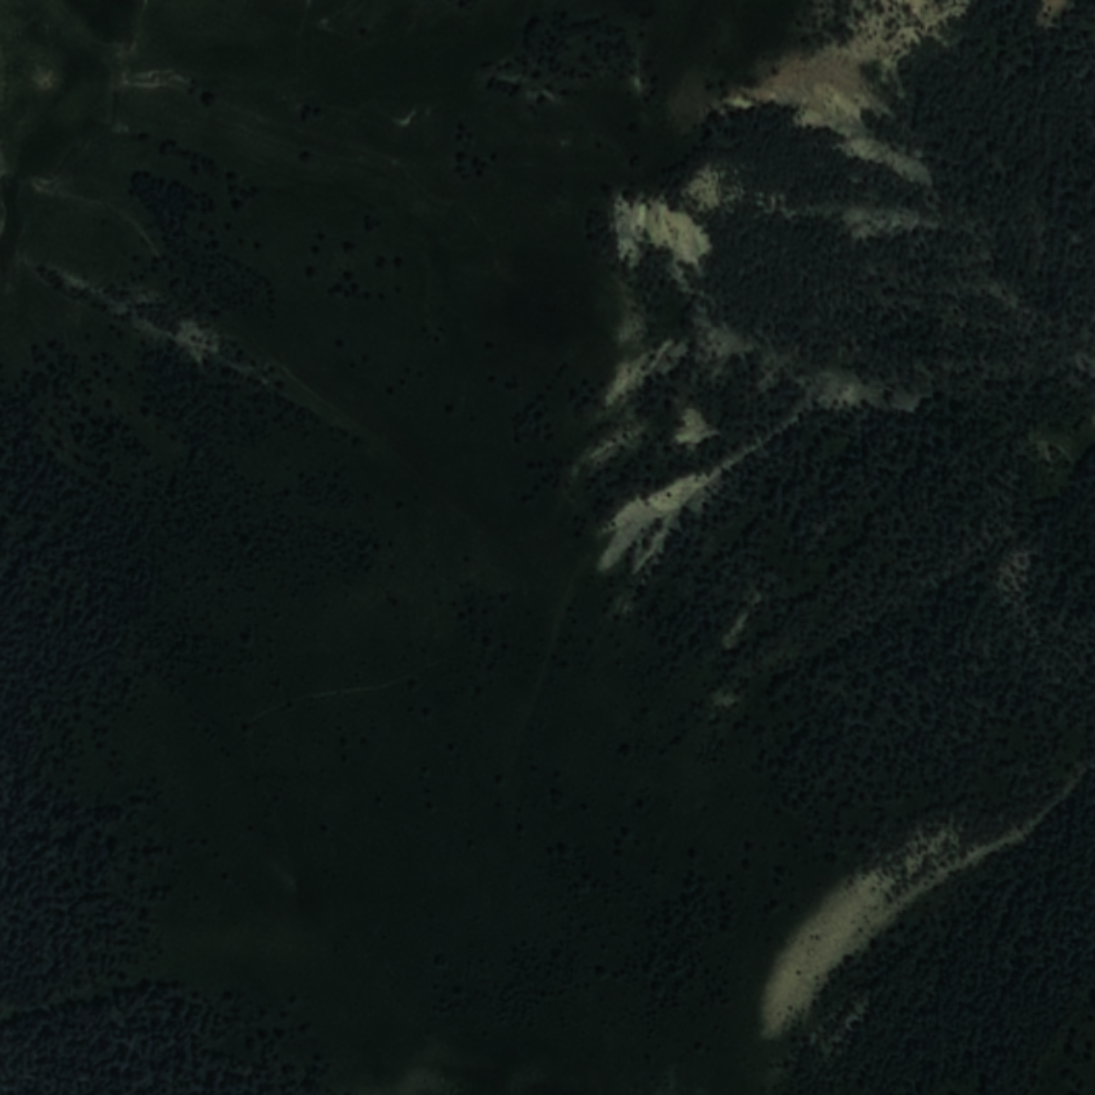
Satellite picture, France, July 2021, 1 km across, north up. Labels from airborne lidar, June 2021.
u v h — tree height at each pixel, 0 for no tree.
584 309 0
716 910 10
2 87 0
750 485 12
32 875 12
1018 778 12
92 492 8
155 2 0
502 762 0
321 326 0
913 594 11
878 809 7
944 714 12
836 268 10
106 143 0
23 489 7
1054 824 14
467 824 0
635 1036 0
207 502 8
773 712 8
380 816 0
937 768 7
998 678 11
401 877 0
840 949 0
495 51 0
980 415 14
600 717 0
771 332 8
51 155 0
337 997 0
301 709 0
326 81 0
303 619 0
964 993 14
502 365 0
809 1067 9
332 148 0
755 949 0
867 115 8
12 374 0
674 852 0
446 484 0
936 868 7
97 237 0
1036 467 11
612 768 0
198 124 0
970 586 12
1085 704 11
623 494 7
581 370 0
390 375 0
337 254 0
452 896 0
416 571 0
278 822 0
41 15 0
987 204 16
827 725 13
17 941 12
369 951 0
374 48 0
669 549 9
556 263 0
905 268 15
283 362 0
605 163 0
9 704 10
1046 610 17
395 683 0
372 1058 0
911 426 10
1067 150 8
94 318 0
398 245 0
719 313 9
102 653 8
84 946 6
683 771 0
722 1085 0
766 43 0
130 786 0
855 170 13
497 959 0
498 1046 0
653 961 10
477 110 0
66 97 0
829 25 6
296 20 0
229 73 0
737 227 10
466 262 0
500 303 0
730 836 0
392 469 0
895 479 17
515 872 0
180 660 7
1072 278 14
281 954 0
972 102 14
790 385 10
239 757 0
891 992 14
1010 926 16
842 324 9
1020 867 11
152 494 6
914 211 7
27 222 0
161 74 0
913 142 7
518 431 7
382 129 0
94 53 0
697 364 8
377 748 0
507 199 0
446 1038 0
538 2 0
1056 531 13
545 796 0
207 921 0
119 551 6
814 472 18
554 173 0
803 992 0
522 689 0
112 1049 13
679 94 0
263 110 0
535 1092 0
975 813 10
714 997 9
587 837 0
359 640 0
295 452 0
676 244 0
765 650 8
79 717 9
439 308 0
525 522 0
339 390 0
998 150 15
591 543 0
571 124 0
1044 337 8
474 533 0
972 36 8
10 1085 8
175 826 0
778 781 8
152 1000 13
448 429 0
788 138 14
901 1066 16
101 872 11
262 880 0
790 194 9
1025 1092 18
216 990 0
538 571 0
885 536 8
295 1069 8
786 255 8
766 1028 0
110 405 10
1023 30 10
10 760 7
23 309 0
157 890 9
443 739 0
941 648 11
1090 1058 12
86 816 12
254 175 0
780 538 0
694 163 9
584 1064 0
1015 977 10
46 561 12
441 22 0
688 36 0
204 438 6
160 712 0
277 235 0
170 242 6
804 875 0
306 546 6
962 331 7
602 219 7
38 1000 19
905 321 10
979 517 8
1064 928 16
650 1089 0
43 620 9
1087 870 18
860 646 14
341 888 0
